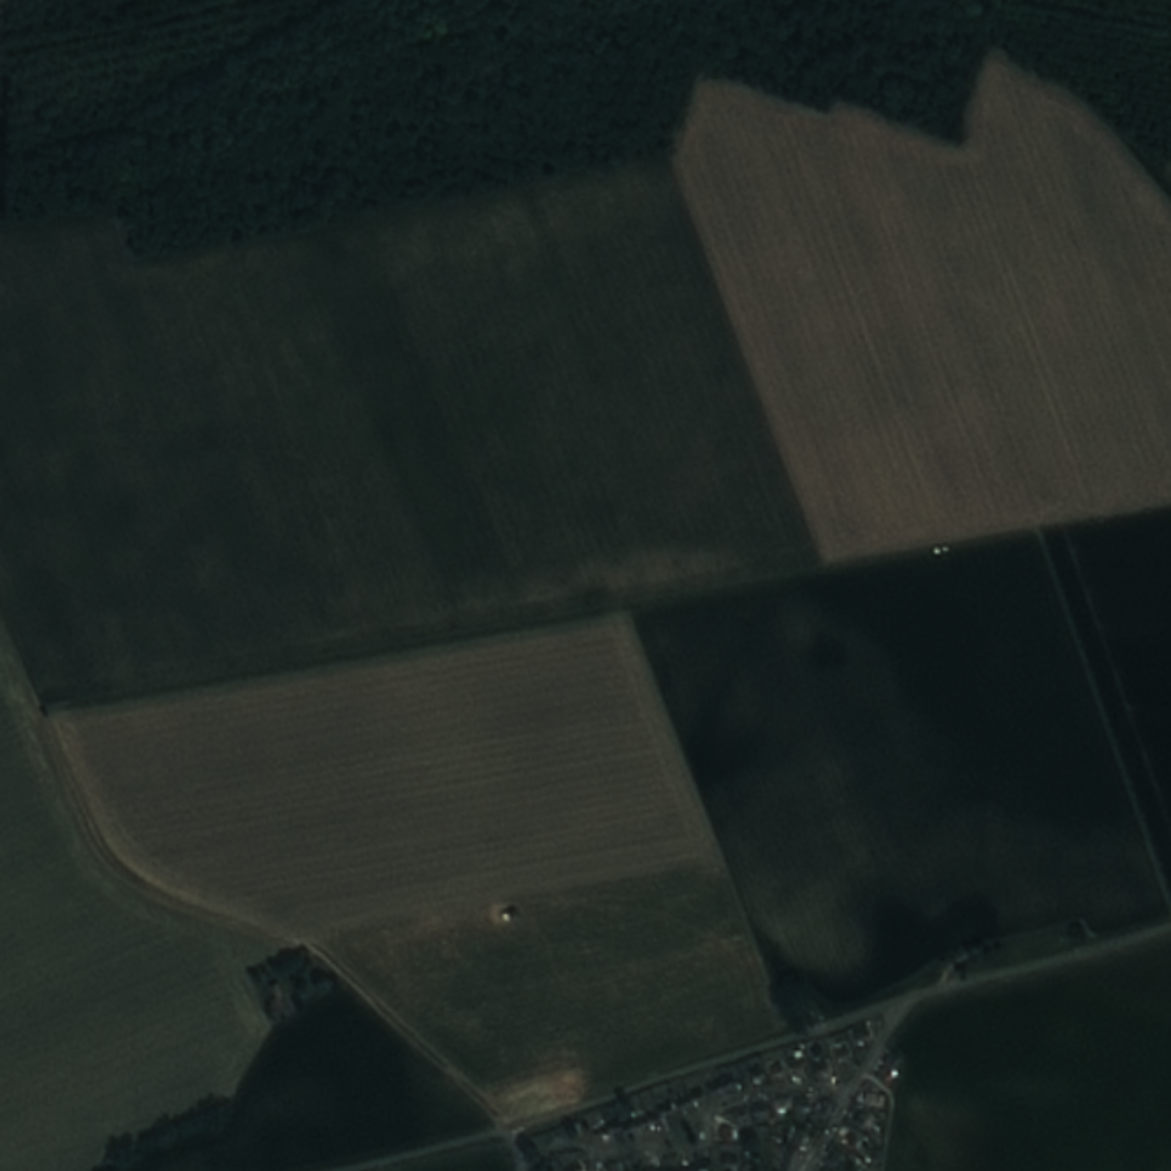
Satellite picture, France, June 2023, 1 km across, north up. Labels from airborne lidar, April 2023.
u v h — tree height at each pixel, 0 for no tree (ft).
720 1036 0
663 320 0
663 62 73
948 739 0
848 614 0
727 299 0
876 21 69
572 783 0
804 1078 0
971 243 0
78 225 0
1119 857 0
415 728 0
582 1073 0
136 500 0
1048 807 0
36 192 68
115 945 0
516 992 0
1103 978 0
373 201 52
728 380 0
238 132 74
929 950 0
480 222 0
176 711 0
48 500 0
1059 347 0
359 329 0
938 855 0
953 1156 0
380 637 0
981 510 0
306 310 0
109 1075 0
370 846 0
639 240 0
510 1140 0
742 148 0
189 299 0
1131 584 0
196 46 28
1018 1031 0
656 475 0
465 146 55
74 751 0
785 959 0
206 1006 0
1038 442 0
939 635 0
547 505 0
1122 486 0
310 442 0
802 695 0
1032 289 0
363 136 60
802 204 0
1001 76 0
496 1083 0
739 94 0
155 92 43
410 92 34
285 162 62
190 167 65
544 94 75
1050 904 0
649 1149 0
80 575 0
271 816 0
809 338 0
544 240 0
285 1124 0
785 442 0
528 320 0
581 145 61
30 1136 0
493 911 0
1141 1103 0
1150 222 0
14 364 0
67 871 0
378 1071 0
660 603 0
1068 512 0
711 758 0
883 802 0
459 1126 0
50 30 33
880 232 0
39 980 0
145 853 0
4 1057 0
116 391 0
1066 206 0
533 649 0
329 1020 0
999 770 0
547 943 0
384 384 0
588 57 74
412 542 0
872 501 0
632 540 0
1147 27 35
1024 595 0
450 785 0
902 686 0
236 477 0
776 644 0
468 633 0
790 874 0
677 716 0
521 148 53
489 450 0
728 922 0
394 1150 0
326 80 71
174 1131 48
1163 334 0
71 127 31
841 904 0
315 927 0
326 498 0
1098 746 0
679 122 54
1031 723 0
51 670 0
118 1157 61
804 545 0
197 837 0
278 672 0
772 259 0
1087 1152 0
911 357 0
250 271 0
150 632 0
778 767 0
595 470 0
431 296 0
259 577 0
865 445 0
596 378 0
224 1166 0
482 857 0
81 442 0
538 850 0
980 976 0
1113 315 0
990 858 0
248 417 0
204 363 0
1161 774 0
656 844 0
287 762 0
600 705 0
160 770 0
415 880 0
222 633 0
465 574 0
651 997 0
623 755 0
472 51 80
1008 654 0
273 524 0
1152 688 0
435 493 0
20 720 0
